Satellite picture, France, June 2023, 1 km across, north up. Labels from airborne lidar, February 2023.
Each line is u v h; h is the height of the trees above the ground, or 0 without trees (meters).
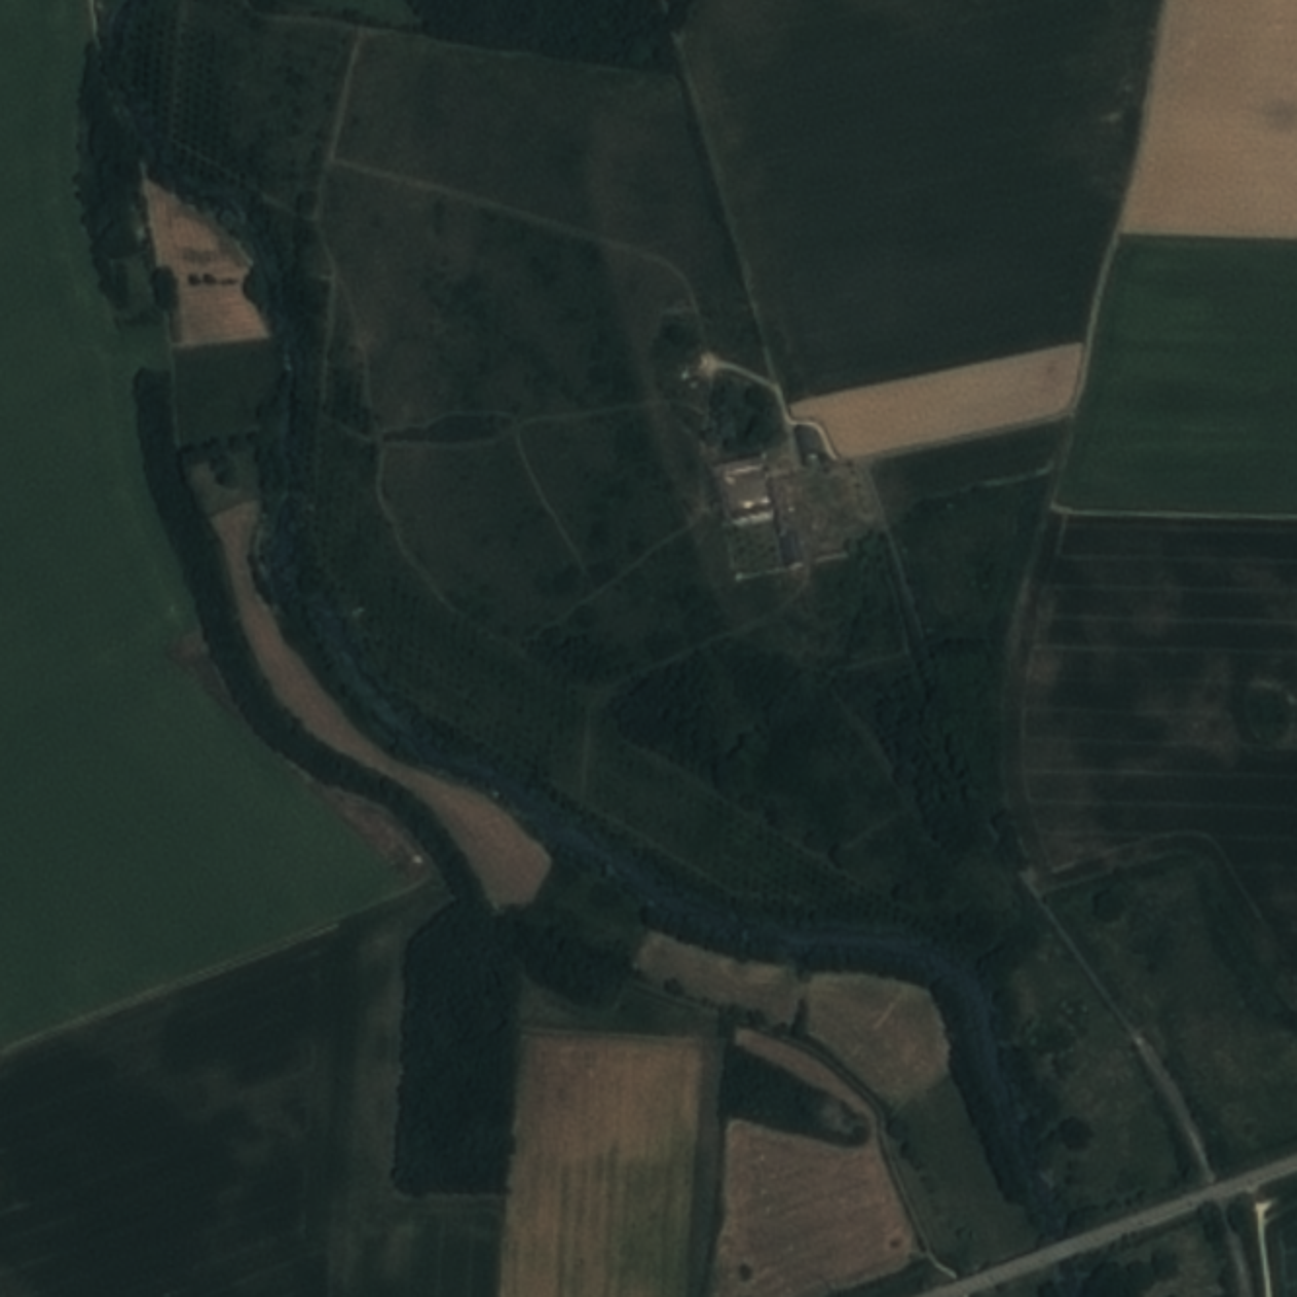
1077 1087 0
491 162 0
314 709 0
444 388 0
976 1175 0
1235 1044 0
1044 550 0
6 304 0
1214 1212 15
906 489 0
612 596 0
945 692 18
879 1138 0
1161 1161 0
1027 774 0
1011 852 12
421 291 0
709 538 0
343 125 0
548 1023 0
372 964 0
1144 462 0
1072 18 0
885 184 0
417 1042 13
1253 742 0
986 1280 0
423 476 0
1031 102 0
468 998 17
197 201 6
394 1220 0
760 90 0
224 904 0
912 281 0
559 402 0
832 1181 0
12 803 0
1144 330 0
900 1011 0
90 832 0
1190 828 0
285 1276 0
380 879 0
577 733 0
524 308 0
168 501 14
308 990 0
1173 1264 19
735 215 0
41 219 0
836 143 0
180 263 0
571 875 0
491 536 0
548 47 12
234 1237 0
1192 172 0
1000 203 0
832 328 0
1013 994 8
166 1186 0
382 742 0
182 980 0
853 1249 0
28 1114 0
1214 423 0
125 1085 0
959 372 0
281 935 0
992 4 0
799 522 0
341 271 0
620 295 0
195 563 9
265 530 0
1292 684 0
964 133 0
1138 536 0
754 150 0
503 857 0
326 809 0
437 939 15
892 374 0
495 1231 0
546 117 0
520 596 0
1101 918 9
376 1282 0
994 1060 0
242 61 0
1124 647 0
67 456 0
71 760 0
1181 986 0
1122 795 0
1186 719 0
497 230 0
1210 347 0
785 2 0
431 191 0
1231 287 0
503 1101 17
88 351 0
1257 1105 0
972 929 14
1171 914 0
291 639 0
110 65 12
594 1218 0
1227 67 0
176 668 0
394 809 7
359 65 0
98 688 0
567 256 0
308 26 0
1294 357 0
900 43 0
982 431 0
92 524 0
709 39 0
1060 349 0
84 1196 0
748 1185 0
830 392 0
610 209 0
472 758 0
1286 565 0
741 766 18
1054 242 0
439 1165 14
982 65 0
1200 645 0
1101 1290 23
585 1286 0
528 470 0
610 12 17
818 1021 0
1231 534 0
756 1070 7
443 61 0
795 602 0
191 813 0
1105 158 0
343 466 0
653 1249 0
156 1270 0
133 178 21
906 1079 0
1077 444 0
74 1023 0
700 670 10
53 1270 0
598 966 14
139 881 0
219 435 0
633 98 0
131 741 0
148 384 13
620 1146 0
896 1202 0
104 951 0
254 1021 0
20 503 0
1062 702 0
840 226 0
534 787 7
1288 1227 0
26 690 0
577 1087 0
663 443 0
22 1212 0
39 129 0
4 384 0
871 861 0
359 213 0
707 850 0
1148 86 0
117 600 0
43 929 0
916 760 21
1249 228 0
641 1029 0
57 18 0
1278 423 0
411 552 0
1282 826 0
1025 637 0
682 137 0
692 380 0
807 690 14
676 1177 0
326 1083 0
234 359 0
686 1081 0
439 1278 0
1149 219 0
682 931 24
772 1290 0
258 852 0
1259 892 0
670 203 0
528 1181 0
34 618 0
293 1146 0
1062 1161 0
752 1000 0
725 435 9
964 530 0
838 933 0
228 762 0
